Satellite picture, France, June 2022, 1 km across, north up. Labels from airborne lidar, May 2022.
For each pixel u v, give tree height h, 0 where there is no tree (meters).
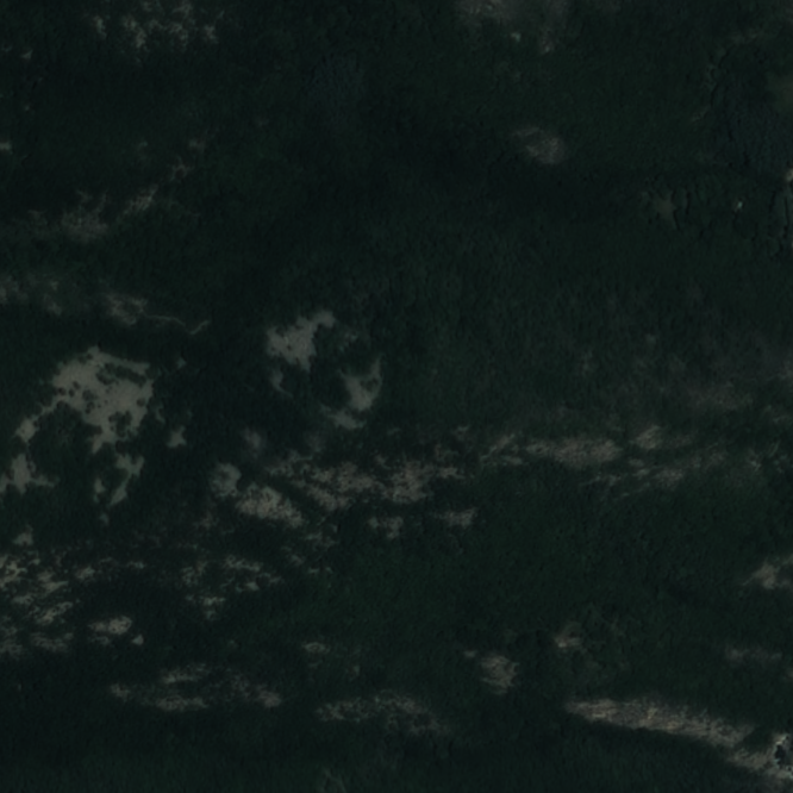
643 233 16
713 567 15
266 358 7
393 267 8
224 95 20
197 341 16
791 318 11
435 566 19
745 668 8
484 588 22
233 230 22
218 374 13
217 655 15
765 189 11
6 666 17
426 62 16
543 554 18
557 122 16
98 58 20
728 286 14
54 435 9
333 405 8
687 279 8
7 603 10
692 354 5
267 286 17
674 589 22
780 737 0
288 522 7
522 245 10
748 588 6
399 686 8
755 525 18
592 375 6
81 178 14
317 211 19
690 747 19
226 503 9
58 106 15
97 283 6
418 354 11
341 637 10
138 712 18
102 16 9
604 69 19
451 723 6
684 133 16
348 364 10
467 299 10
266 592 13
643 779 14
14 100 17
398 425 7
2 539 11
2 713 21
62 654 11
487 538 14
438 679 17
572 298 9
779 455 9
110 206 9
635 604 12
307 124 17
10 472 10
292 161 21
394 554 18
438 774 19
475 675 9
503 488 12
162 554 11
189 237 19
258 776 14
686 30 20
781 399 7
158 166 10
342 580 11
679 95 17
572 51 11
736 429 12
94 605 11
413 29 15
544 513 18
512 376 7
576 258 12
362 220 21
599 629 7
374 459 8
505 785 20
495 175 25
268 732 13
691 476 8
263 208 24
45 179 12
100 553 11
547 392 6
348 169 18
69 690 19
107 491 6
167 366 8
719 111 15
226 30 11
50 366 12
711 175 20
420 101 24
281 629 14
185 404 7
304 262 20
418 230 13
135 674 20
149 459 10
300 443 6
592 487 14
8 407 16
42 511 13
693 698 13
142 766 16
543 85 11
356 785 10
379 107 15
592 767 19
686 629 13
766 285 13
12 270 9
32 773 18
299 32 19
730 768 13
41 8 12
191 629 18
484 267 10
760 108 22
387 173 15
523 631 13
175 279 17
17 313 26
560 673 13
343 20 18
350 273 7
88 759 17
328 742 22
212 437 12
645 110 17
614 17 8
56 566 6
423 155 17
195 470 7
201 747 25
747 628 20
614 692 11
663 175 17
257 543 21
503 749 22
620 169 16
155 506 7
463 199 12
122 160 8
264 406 10
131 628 10
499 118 16
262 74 13
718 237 19
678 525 13
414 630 19
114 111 16
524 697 16
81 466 10
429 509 18
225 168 22
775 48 15
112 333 18
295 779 12
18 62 14
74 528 11
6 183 10
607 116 14
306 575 16
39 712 25
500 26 7
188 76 19
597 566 22
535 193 13
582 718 12
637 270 13
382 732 11
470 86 18
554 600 18
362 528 15
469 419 6
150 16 7
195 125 10
